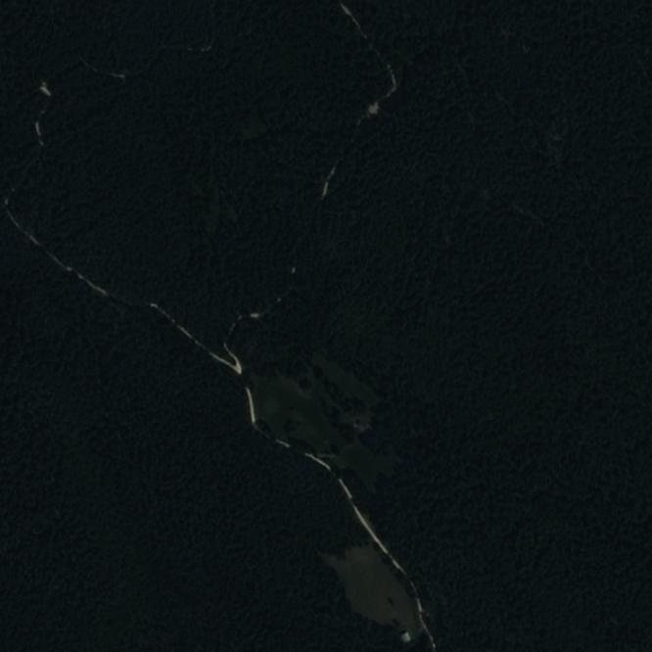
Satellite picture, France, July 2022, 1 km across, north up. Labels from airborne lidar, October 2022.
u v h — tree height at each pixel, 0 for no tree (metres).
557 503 17
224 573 21
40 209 27
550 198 28
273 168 26
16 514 18
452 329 19
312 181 18
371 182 14
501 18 32
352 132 26
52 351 25
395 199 12
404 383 11
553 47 22
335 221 19
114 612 20
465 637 28
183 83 17
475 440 24
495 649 23
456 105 19
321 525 21
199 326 22
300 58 10
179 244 20
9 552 9
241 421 22
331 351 23
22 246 23
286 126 9
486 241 18
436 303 21
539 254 10
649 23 26
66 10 25
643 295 9
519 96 31
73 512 16
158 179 22
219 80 13
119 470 29
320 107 18
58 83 19
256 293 9
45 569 25
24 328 24
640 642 18
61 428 16
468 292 19
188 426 23
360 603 0
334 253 21
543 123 24
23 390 20
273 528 21
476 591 13
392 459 0
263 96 20
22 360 21
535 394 17
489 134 26
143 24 28
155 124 9
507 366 20
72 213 15
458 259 19
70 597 19
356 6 12
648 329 12
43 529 9
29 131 10
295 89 16
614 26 10
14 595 21
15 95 22
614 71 25
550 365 22
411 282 15
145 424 30
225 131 21
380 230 17
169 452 27
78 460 21
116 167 20
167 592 25
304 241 11
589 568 21
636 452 19
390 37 14
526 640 14
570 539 9
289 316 16
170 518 21
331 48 8
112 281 21
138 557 23
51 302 24
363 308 12
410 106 23
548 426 16
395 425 25
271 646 28
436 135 25
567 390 14
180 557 25
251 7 20
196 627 19
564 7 29
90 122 20
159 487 18
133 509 28
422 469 7
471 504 15
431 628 18
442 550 18
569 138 23
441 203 12
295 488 19
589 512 15
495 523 20
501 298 22
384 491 21
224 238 27
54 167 18
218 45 7
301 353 22
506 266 23
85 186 25
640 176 22
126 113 19
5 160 27
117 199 27
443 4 26
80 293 32
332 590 20
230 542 16
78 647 17
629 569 19
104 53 21
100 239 22
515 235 19
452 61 28
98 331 24
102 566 17
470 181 18
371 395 0
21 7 7
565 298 23
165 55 18
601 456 17
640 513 26
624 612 18
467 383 13
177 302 20
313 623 22
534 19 29
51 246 13
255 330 25
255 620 25
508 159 26
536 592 15
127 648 20
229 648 15
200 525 18
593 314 21
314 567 7
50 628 11
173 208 22
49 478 17
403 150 21
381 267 17
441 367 18
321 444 0
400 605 0
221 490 19
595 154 23
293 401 0
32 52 24
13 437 22
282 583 25
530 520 17
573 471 20
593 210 22
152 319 9
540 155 15
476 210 22
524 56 21
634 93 21
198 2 21
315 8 11
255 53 17
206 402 26
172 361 23
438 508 23
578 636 21
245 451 17
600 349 15
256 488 30
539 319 23
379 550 11
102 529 18
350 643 26
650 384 27
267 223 21
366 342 18
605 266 16
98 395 25
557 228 28
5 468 17
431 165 19
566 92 24
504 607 13
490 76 29
